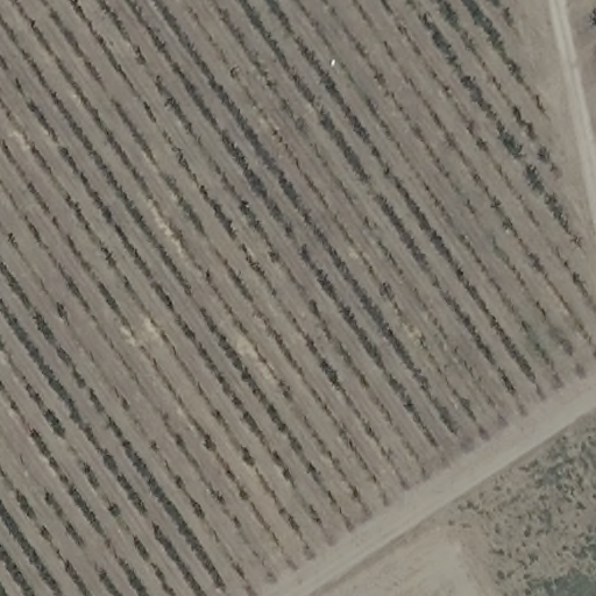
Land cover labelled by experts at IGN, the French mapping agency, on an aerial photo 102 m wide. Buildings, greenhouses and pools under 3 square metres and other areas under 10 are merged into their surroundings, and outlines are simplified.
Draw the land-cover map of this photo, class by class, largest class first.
<instances>
[{"label":"plowed land","instance_id":"1","mask_svg":"<svg viewBox=\"0 0 596 596\"><path fill-rule=\"evenodd\" d=\"M26 12L37 21L47 40L51 42V49L44 51L9 0H0V12L7 19V23L19 33L23 47L35 56L49 84L65 100L77 123L84 128L93 147L112 168L119 184L133 198L137 210L151 224V228L163 240L165 249L193 286L191 296L184 293L175 275L161 261L158 251L147 242V237L142 235L123 203L116 198L102 172L95 168L84 144L75 137V133L61 116L58 107L51 102L49 93H44L30 65L23 61L21 51L0 28V256L12 270V275L21 282L28 298L33 300L28 307H23L19 296L9 289L7 279L0 272V296L9 305L14 317L21 321L28 338L35 342V347L51 366L61 384L70 391L79 407V414L91 424L102 447L109 449L116 466L130 480V484L147 505L144 515L137 512L123 487L105 466L102 456L93 449V445L72 421L68 405L49 386L37 363L30 359L26 347L14 335L12 326L0 314V501L5 503V508L9 510L28 542L37 549L40 559L47 563L51 575L58 580L65 596H81L70 575L65 573L68 561H72V566L84 577L93 596H137L126 573L119 568L121 559H126L133 566V570L137 573V577L151 596H168L163 594L154 570L133 547L135 538L144 542L149 556L163 568L168 584L177 591L175 596H196L186 584L184 575L179 573V568L175 566V561L163 549V545L154 538V524H158L163 533L172 540L179 556L186 561V566L191 568V573L196 575L207 596H256L268 582H277L282 573L300 568L307 559L324 556L326 549L338 542V538L345 531H354L370 517L384 512L389 505L400 503L407 489L424 484L431 475L447 468L463 452H470L491 435H498L515 419L526 417V410L531 405L549 398L575 375L584 377L596 368V226L582 175L580 144L570 116L568 84L561 70L549 0H475L482 14L498 30L508 54L519 63L524 72V81L517 84L508 65H503L496 49L491 47L487 33L473 21L470 12L461 0H447L456 12L463 30H468V35L477 44V51L470 54L461 42V35L447 23V19L440 14L433 0H277L293 26V33L286 35L282 23L270 14L265 0H249L251 7L258 12L263 26L272 33L282 51L286 54L289 63L298 70L303 81L314 93V100L307 102L291 81V77L277 63L272 49L251 26L237 0H165L170 12L177 16L182 30L189 35V40L196 44L210 70L214 72L217 81L228 91L230 100L240 107L242 116L256 130L263 147L284 170L286 179L293 184L300 200L307 205L312 219L326 233L331 244L342 256V261L349 265L352 275L366 289L370 300L382 310L386 324L393 328V333L410 352L414 366L405 368L396 349L377 331L370 314L363 310L361 300L354 296L352 286L333 265L331 256L324 251L321 242L305 226L303 214L291 205L277 177L263 165L244 133L240 130V126L235 123V119L230 116V112L210 88L207 77L198 70L193 58L179 44L177 35L154 5V0H137L142 14L158 30L161 40L168 44L175 61L191 77L207 107L214 112L217 123L210 126L196 107V102L191 100V95L186 93L184 84L177 79L168 61L163 58V54L154 47L147 30L137 23L126 0H107V5L116 9L119 19L130 33L128 40H123L114 23L107 19V14L95 5V0H79L84 12L91 16L95 30L105 37L123 70L128 72V77L121 79L112 70L102 49L88 35V28L81 23V19L68 0H21ZM51 12H58L68 28L77 35L81 49L88 54V58L102 77L98 84L91 79L81 58L75 56L72 47L51 21ZM421 14H428V19L438 26L442 37L452 44L459 58L456 63L449 65L445 61L442 51L433 44L431 33L421 26ZM298 37L305 40V44L314 51L321 65L331 72L338 91L368 130V140H361L354 133V128L349 126V121L321 84L319 75L303 58V54L296 47ZM56 58L65 61V65L81 84L93 107H98L102 121L112 128V133L126 149L128 158L144 175L149 184L147 189L137 186V182L123 168L114 149L107 144L105 135L98 130L77 93L58 72L54 63ZM158 75L182 105L184 114L191 119L196 128L193 133L184 130L182 121L156 91L154 79ZM466 75L477 81L484 100L491 102L508 133L522 147L519 158L510 156V151L498 140L496 126L470 100V91L461 84V77ZM112 100H119L126 107L130 119L137 123L140 133L147 137L151 154H144L140 144L133 140V135L114 112ZM28 102H37L42 107V112L56 128L58 140L49 137V133L28 109ZM324 109L328 112L331 121L345 135L347 144L354 149L366 172L370 175L366 184L359 182L356 172L345 161L338 144L321 128L317 114ZM224 130L244 154L249 168L261 177V182L265 184L268 193L275 198L284 217H289L293 235L286 237L284 228L275 221L270 210L256 196L235 158L226 151L219 137ZM63 147L70 149L79 168L91 179L93 189L109 205L114 219H119L140 256L147 261L156 279L165 286L184 321L196 331L205 349L212 354L214 363L221 368L230 386L237 391L247 410L254 414V419L272 442V449L279 452L282 459L289 463L293 477L298 480V489L291 491V484L284 480L279 466L265 454L258 438L242 421V414L224 393L221 384L210 373L191 340L175 324L170 310L161 303L156 291L149 286L147 277L140 272L130 254L123 249L119 235L107 226L102 212L93 205L81 182L63 161ZM375 147H379L382 156L407 186L410 196L417 200L428 224L438 230V235L445 240V244L449 247L452 256L459 261L468 279L477 286L480 296L496 314L505 333L512 338L522 356L528 361L535 377L528 379L522 373V368L508 354V349L503 347V342L498 340L480 307L473 303L468 291L449 270L447 261L438 254L433 242L419 228L400 193L393 189V184L384 179L377 158L370 154V149ZM165 172L172 175L182 186L184 198L203 219L205 233H198L177 205L175 193L161 179V175ZM200 186H207V191L219 200V205L233 221L235 237L226 235L212 207L203 200ZM379 193L389 200V205L396 210L405 228L412 233L414 242L426 256L424 261L417 263L412 258L410 249L403 244L400 235L375 203ZM65 196H72L81 205V212L88 219L93 233H84L75 212L65 205ZM300 247L310 249V256L333 282L335 291L342 296L345 305L352 310L359 326L379 349L389 370L407 389L412 403L419 407L421 417L438 438L435 447L428 445L421 428L414 424L412 414L400 403L398 393L382 377V370L368 356L349 324L342 319L335 303L321 289L317 275L310 272V268L300 258ZM224 258L233 263L235 272L254 293V300H244L242 293L235 289L233 279L221 265ZM449 293L459 300L461 310L477 326L482 340L491 347L496 356L494 361L484 359L466 326L445 305L442 298ZM200 307L210 310L217 326L226 333L228 342L237 349V354L242 356L251 375L258 379L265 396L272 400L286 426L303 445V452L296 454L286 435L277 431V426L272 424L258 398L251 393L233 361L219 347V340L205 326L198 312ZM40 312L47 319L54 335L58 338V342L63 345V349L75 359L77 370L84 375L86 384H91L98 398L102 400L105 410L100 414L95 412L88 393L81 386H77L68 366L58 359L56 349H51L47 338L40 333L33 319ZM26 384H33L37 393L44 398L47 407L56 412L65 428V435L54 433L51 424L30 400ZM112 417L121 426L135 452L144 459V463L149 466L168 498L177 505V510L182 512V517L210 554L212 563L219 568L226 587H214L210 573L203 568L200 559L196 556L186 538L179 533L177 524L170 519L165 508L151 494L147 480L126 456L116 435L107 428V419ZM35 428L42 433L44 442L61 461L56 470L49 466L47 456L40 454L35 440L30 438ZM244 447H249L254 461L261 466V475H265L270 487L277 489L282 505L296 517L300 531L293 533L289 524L279 517V512L272 505V498L261 489L254 468L242 461L240 452ZM61 475H70L75 487L93 508L100 524L105 526L100 533L93 531L84 512L75 505L72 496L58 480ZM0 542L12 554V559L16 561V566L21 568V573L26 575L37 596H54V591L40 577L37 568L30 563V559L23 554L5 522L0 519ZM0 596H23L21 587L14 582L5 563L0 561Z\"/></svg>","mask_w":596,"mask_h":596},{"label":"deciduous trees","instance_id":"2","mask_svg":"<svg viewBox=\"0 0 596 596\"><path fill-rule=\"evenodd\" d=\"M44 51L51 49V42L47 40L37 21L26 12L21 0H9ZM81 19V23L88 28V35L102 49L112 70L121 79L128 77V72L123 70L105 37L95 30L91 16L84 12L79 0H68ZM95 5L107 14V19L114 23L123 40H128L130 33L119 19L116 9L107 5V0H95ZM137 23L147 30L154 47L163 54V58L168 61L177 79L184 84L186 93L191 95V100L196 102V107L210 126L217 123L214 112L207 107L191 77L175 61L168 44L161 40L158 30L142 14L137 0H126ZM154 5L177 35L179 44L193 58L198 70L207 77L210 88L230 112V116L235 119V123L240 126V130L244 133L263 165L277 177L291 205L303 214L305 226L321 242L324 251L331 256L333 265L352 286L354 296L361 300L363 310L370 314L377 331L396 349L405 368L414 366L410 352L393 333V328L386 324L382 310L370 300L366 289L352 275L349 265L342 261V256L331 244L326 233L312 219L307 205L300 200L293 184L286 179L284 170L263 147L256 130L242 116L240 107L230 100L228 91L217 81L214 72L210 70L196 44L189 40V35L182 30L177 16L170 12L165 0H154ZM251 26L272 49L277 63L291 77V81L307 102L314 100V93L303 81L298 70L289 63L286 54L282 51L272 33L263 26L258 12L251 7L249 0H237ZM270 14L282 23L286 35L293 33V26L277 0H265ZM440 14L447 19V23L461 35V42L470 54L477 51V44L468 35V30H463L456 12L447 0H433ZM470 12L473 21L487 33L491 47L496 49L503 65H508L517 84L524 81V72L519 63L508 54L498 30L482 14L475 0H461ZM0 28L21 51L23 61L30 65L44 93H49L51 102L58 107L61 116L75 133V137L84 144L95 168L102 172L116 198L123 203L142 235L147 237V242L158 251L161 261L175 275L184 293L191 296L193 286L165 249L163 240L151 228V224L137 210L133 198L119 184L112 168L93 147L84 128L77 123L65 100L49 84L35 56L23 47L19 33L7 23V19L0 12ZM51 21L72 47L75 56L81 58L91 79L98 84L102 77L88 58V54L81 49L77 35L68 28L58 12H51ZM421 26L431 33L433 44L442 51L445 61L449 65L456 63L459 58L452 44L442 37L438 26L428 19V14H421ZM296 47L303 54V58L319 75L321 84L349 121V126L354 128V133L361 140H368V130L338 91L331 72L321 65L314 51L305 44V40L298 37ZM54 63L58 72L77 93L98 130L105 135L107 144L114 149L123 168L137 182V186L147 189L149 184L144 175L128 158L126 149L112 133V128L102 121L98 107H93L81 84L65 65V61L56 58ZM156 91L182 121L184 130L193 133L196 128L191 119L184 114L182 105L158 75L154 79ZM461 84L470 91V100L496 126L498 140L510 151V156L519 158L522 147L508 133L491 102L484 100L477 81L466 75L461 77ZM114 112L133 135V140L140 144L144 154H151L147 137L140 133L137 123L130 119L126 107L119 100H112ZM28 109L49 133V137L58 140L56 128L42 112V107L37 102H28ZM321 128L338 144L345 161L356 172L359 182L366 184L370 175L366 172L354 149L347 144L345 135L331 121L328 112L324 109L317 114ZM219 137L226 151L235 158L256 196L270 210L275 221L284 228L286 237L293 235L289 217H284L275 198L268 193L265 184L261 182V177L249 168L244 154L224 130ZM63 161L81 182L93 205L102 212L107 226L119 235L123 249L130 254L140 272L147 277L149 286L156 291L161 303L170 310L175 324L191 340L210 373L221 384L224 393L242 414V421L258 438L265 454L279 466L284 480L291 484V491L298 489V480L293 477L289 463L282 459L279 452L272 449V442L254 419V414L247 410L237 391L230 386L221 368L214 363L212 354L205 349L196 331L184 321L165 286L156 279L147 261L140 256L119 219H114L109 205L93 189L91 179L79 168L70 149L63 147ZM370 154L377 158L384 179L393 184V189L400 193L419 228L433 242L438 254L447 261L449 270L468 291L473 303L480 307L498 340L503 342V347L508 349V354L522 368V373L528 379L535 377L528 361L522 356L512 338L505 333L496 314L480 296L477 286L468 279L459 261L452 256L449 247L445 244V240L438 235V230L428 224L417 200L410 196L407 186L382 156L379 147H375L370 149ZM161 179L175 193L177 205L198 233H205L203 219L184 198L182 186L172 175L165 172L161 175ZM203 200L212 207L226 235L235 237L233 221L219 205V200L207 191V186H200ZM375 203L400 235L403 244L410 249L412 258L417 263L424 261L426 256L414 242L412 233L405 228L396 210L389 205V200L379 193ZM65 205L75 212L84 233H93L88 219L81 212V205L72 196H65ZM300 258L310 268V272L317 275L321 289L335 303L342 319L349 324L368 356L382 370V377L398 393L400 403L412 414L414 424L421 428L428 445L435 447L438 438L421 417L419 407L412 403L407 389L389 370L379 349L359 326L352 310L345 305L342 296L335 291L333 282L310 256V249L300 247ZM0 272L7 279L9 289L19 296L23 307H28L33 300L28 298L21 282L12 275V270L0 256ZM221 265L233 279L235 289L242 293L244 300H254V293L235 272L233 263L224 258ZM445 305L466 326L484 359L494 361L496 356L491 347L482 340L477 326L461 310L459 300L449 293L442 298ZM0 314L12 326L14 335L26 347L30 359L37 363L49 386L68 405L72 421L93 445V449L102 456L105 466L123 487L137 512L144 515L147 505L130 484V480L116 466L109 449L102 447L91 424L79 414V407L70 391L61 384L51 366L35 347V342L28 338L21 321L14 317L9 305L0 296ZM198 312L205 326L219 340V347L233 361L251 393L258 398L272 424L277 426V431L286 435L296 454L303 452V445L286 426L272 400L265 396L258 379L251 375L242 356L237 354V349L228 342L226 333L217 326L210 310L200 307ZM33 319L40 333L47 338L51 349H56L58 359L68 366L77 386H81L88 393L95 412L100 414L105 410L102 400L98 398L91 384H86L84 375L77 370L75 359L63 349V345L58 342V338L54 335L47 319L40 312ZM30 400L51 424L54 433L65 435V428L56 412L47 407L44 398L37 393L33 384H26ZM107 428L116 435L126 456L147 480L151 494L165 508L170 519L177 524L179 533L186 538L196 556L200 559L203 568L210 573L214 587H226L219 568L212 563L210 554L182 517V512L177 510V505L168 498L149 466L144 463V459L135 452L121 426L112 417L107 419ZM30 438L35 440L40 454L47 456L49 466L56 470L61 461L44 442L42 433L35 428ZM242 461L254 468L261 489L272 498V505L279 512V517L289 524L293 533L300 531L296 517L282 505L277 489L270 487L265 475H261V466L254 461L249 447H244L240 452ZM58 480L72 496L75 505L84 512L93 531L100 533L105 526L100 524L93 508L75 487L70 475H61ZM0 519L5 522L23 554L30 559V563L37 568L40 577L54 591V596H65L58 580L51 575L47 563L40 559L37 549L28 542L9 510L5 508V503L0 501ZM154 538L163 545V549L175 561V566L179 568V573L184 575L186 584L196 596H207L196 575L191 573V568L186 566V561L179 556L172 540L163 533L158 524H154ZM133 547L154 570L163 594L168 596H175L177 591L168 584L163 568L149 556L144 542L135 538ZM0 561L5 563L14 582L21 587L23 596H37L26 575L21 573V568L16 566V561L12 559V554L0 542ZM119 568L126 573L137 596H151L137 577V573L133 570V566L126 559H121ZM65 573L70 575L81 596H93L84 577L72 566V561H68ZM547 596H596V580H589L570 568L568 575L552 577L545 582Z\"/></svg>","mask_w":596,"mask_h":596},{"label":"agricultural land","instance_id":"3","mask_svg":"<svg viewBox=\"0 0 596 596\"><path fill-rule=\"evenodd\" d=\"M433 531L424 533L417 542L405 545L393 554L384 556L379 563L363 570L361 575L338 587L328 596H547L545 582L552 577L568 575L570 568L589 580H596V412L582 414L573 424L563 426L561 433L522 454L503 470L482 480L477 487L454 498L445 508L435 510L433 515Z\"/></svg>","mask_w":596,"mask_h":596},{"label":"pervious surface","instance_id":"4","mask_svg":"<svg viewBox=\"0 0 596 596\"><path fill-rule=\"evenodd\" d=\"M561 70L568 84L570 116L580 144L582 175L596 226V140L587 109L582 72L566 0H549ZM526 417L515 419L498 435H491L470 452H463L447 468L431 475L424 484L407 489L400 503L389 505L384 512L370 517L354 531H345L338 538V542L326 549L324 556L307 559L300 568L282 573L277 582H268L256 596H307L321 584L335 580L352 566H356L359 561H363L368 554L384 547L396 535L410 531L421 519L433 515L435 510L445 508L454 498L477 487L482 480L503 470L522 454L561 433L563 426L573 424L582 414L596 412V368L584 377L575 375L549 398L531 405L526 410Z\"/></svg>","mask_w":596,"mask_h":596},{"label":"herbaceous vegetation","instance_id":"5","mask_svg":"<svg viewBox=\"0 0 596 596\"><path fill-rule=\"evenodd\" d=\"M582 72L587 109L596 140V0H566ZM433 515L421 519L410 531L396 535L384 547L368 554L363 561H359L356 566H352L335 580L321 584L307 596H328L338 587L361 575L363 570L379 563L384 556L393 554L405 545L417 542L424 533L433 531Z\"/></svg>","mask_w":596,"mask_h":596}]
</instances>
